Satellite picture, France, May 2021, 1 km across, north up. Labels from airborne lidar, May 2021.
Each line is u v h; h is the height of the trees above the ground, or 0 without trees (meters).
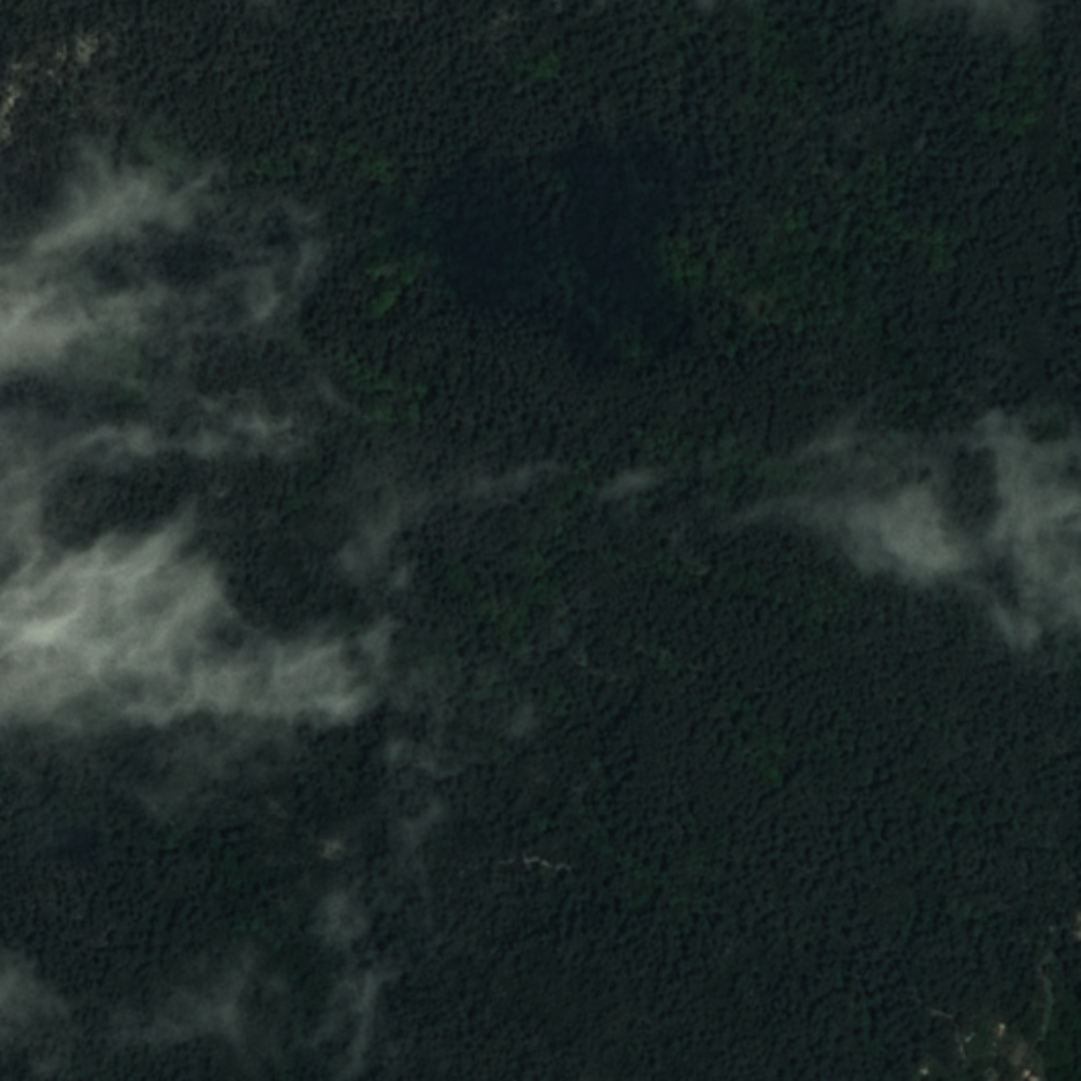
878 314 8
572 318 20
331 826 7
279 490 22
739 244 23
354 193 13
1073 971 24
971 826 13
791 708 22
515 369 19
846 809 28
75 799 26
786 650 13
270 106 22
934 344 7
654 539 22
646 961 19
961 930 22
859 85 18
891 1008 21
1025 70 9
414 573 20
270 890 19
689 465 10
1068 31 24
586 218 9
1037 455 10
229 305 16
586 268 7
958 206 20
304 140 17
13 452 17
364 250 22
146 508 18
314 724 19
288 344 25
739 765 23
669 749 16
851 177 7
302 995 14
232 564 18
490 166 19
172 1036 23
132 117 18
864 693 17
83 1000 26
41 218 15
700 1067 6
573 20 26
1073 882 6
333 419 19
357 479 18
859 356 19
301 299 6
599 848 12
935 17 18
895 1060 11
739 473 16
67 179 17
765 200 22
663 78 7
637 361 22
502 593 19
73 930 20
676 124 23
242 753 22
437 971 11
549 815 10
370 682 12
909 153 6
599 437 21
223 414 20
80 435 19
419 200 9
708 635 20
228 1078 6
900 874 7
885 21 29
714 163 24
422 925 7
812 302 6
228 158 14
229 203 16
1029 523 25
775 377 23
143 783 27
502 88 9
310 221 15
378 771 17
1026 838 6
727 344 9
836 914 22
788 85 17
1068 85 19
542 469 20
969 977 18
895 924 16
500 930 20
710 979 12
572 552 12
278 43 19
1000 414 6
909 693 9
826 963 22
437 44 12
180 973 6
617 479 24
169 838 23
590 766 12
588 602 20
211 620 7
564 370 22
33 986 20
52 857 17
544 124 21
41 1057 15
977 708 22
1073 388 6
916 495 7
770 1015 12
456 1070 10
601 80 16
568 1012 10
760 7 21
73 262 6
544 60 21
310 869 6
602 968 13
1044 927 11
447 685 26
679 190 6
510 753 12
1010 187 23
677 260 13
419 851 13
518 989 8
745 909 22
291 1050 23
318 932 8
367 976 24
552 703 21
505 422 20
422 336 20
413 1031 19
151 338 7
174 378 21
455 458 22
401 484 16
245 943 7
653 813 19
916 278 21
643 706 18
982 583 21
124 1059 21
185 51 27
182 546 23
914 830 21
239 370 21
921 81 6
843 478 18
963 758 25
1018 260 19
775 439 24
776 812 20
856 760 22
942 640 21
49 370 11
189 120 19
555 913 27
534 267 14
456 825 8
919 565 23
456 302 5
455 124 21
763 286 13
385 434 21
